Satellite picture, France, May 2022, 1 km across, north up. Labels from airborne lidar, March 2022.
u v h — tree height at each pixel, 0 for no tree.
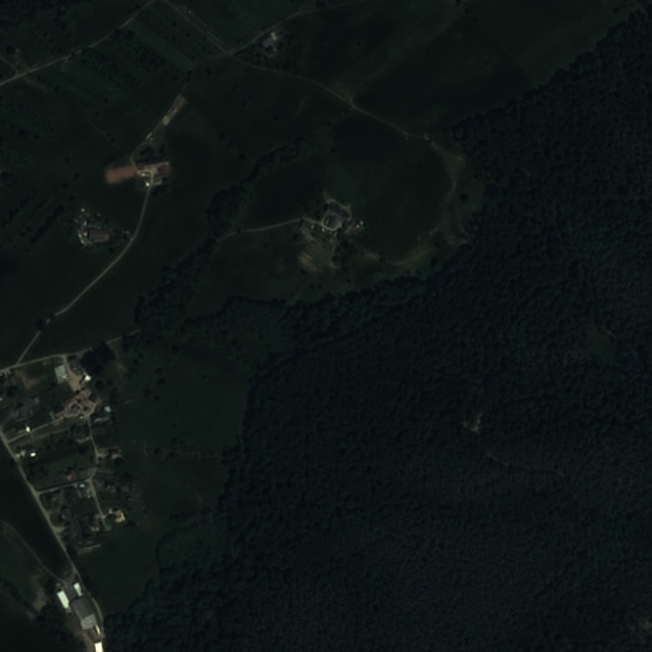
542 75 0
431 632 17
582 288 29
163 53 0
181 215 0
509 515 27
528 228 30
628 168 13
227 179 0
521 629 18
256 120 0
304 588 21
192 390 0
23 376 0
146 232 0
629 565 18
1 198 0
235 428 0
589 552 22
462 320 30
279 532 23
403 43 0
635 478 15
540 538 28
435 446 18
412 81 0
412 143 0
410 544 20
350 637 20
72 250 0
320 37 0
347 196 0
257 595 23
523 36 0
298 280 0
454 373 25
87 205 0
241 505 30
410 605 18
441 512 23
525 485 19
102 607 0
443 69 0
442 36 0
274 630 19
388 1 0
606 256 14
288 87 0
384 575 24
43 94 0
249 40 0
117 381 0
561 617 24
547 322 21
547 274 27
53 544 0
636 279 17
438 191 0
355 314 22
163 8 0
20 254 0
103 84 0
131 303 0
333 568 29
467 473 16
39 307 0
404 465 18
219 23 0
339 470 25
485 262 29
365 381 28
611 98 24
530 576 18
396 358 27
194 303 0
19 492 0
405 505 27
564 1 0
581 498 16
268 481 30
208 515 16
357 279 0
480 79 0
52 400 0
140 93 0
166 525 0
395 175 0
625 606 20
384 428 23
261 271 0
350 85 0
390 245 0
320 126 0
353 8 0
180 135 0
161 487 0
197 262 20
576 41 0
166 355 0
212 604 21
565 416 23
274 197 0
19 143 0
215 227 19
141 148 0
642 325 23
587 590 21
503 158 30
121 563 0
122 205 0
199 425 0
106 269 0
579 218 19
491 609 18
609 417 19
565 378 22
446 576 19
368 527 21
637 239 22
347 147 0
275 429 23
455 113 0
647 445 17
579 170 29
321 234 0
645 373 24
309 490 30
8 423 0
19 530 0
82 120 0
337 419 27
